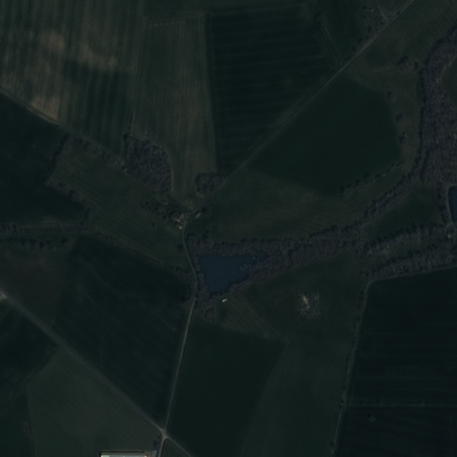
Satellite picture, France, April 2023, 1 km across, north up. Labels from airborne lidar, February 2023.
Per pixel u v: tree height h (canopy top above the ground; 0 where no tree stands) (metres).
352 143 0
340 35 0
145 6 0
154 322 0
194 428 0
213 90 0
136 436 0
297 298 0
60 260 0
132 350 0
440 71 17
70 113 0
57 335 0
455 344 0
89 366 0
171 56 0
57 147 0
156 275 0
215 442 0
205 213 16
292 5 0
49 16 0
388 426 0
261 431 0
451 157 17
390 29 0
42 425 0
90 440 0
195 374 0
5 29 0
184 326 0
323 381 0
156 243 0
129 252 0
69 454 0
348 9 0
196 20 0
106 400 0
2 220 0
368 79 0
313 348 0
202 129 0
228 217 0
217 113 0
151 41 0
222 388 0
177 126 0
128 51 0
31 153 0
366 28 0
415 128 0
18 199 0
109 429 0
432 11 0
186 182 0
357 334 0
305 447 0
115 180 0
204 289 11
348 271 0
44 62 0
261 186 0
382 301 0
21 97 0
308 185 0
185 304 18
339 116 0
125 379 0
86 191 0
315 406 0
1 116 0
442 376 0
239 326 0
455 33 21
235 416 0
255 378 0
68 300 0
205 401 0
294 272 0
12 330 0
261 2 0
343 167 0
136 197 0
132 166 11
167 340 0
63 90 0
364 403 10
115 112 0
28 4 0
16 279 0
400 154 0
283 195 0
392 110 0
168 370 0
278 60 0
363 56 0
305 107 0
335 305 0
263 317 0
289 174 0
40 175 0
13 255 0
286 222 0
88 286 0
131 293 0
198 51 0
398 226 0
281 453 0
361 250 15
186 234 0
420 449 0
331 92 0
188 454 0
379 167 0
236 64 0
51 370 0
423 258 21
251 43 0
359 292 0
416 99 0
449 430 0
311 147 0
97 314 0
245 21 0
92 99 0
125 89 0
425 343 0
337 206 0
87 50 0
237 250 11
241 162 0
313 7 0
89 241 0
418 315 0
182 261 0
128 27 0
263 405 0
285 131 0
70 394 0
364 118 0
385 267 15
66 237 0
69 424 0
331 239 20
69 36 0
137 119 0
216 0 0
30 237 0
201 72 0
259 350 0
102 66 0
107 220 0
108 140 0
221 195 0
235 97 0
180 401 0
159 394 0
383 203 6
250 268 9
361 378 0
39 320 0
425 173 19
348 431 0
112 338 0
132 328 0
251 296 0
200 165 0
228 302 0
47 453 0
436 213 0
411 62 19
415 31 0
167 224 0
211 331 0
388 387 0
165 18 0
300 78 0
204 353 0
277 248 16
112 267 0
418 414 0
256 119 0
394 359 0
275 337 0
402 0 0
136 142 15
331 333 0
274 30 0
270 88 0
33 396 0
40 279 0
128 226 0
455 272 0
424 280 0
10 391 0
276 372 0
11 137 0
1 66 0
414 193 0
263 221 0
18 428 0
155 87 0
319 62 0
